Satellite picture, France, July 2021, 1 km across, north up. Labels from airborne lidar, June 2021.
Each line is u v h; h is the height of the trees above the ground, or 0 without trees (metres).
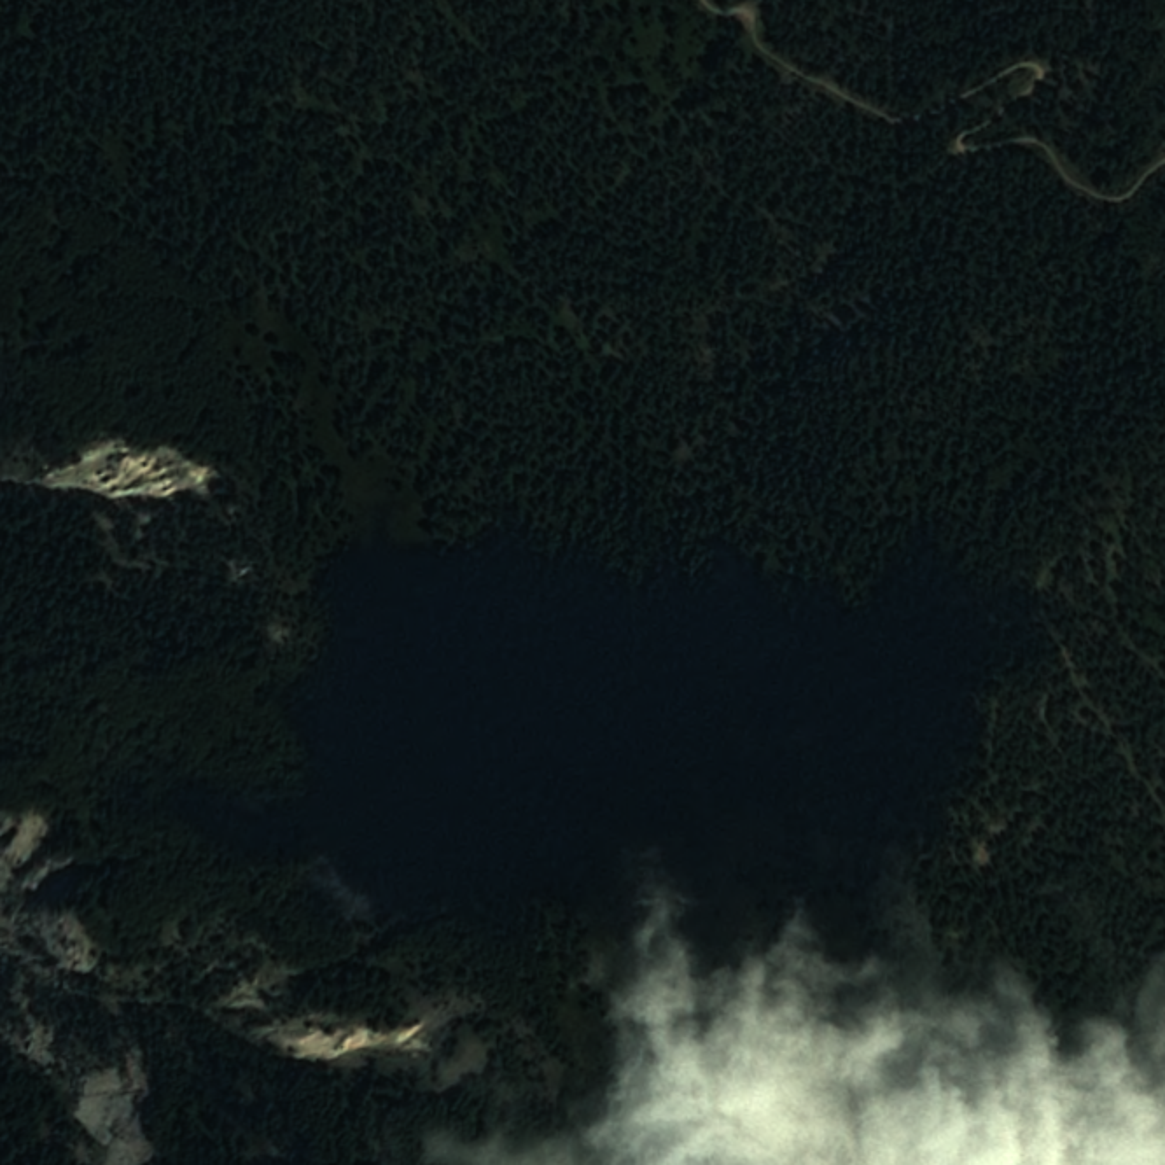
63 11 13
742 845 0
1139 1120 18
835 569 14
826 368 13
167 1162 9
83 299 21
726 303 7
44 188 12
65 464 10
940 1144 12
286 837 20
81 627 7
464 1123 18
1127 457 14
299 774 12
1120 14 27
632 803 0
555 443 13
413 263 24
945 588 10
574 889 13
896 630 9
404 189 24
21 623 15
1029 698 15
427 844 15
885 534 19
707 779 9
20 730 18
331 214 17
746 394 23
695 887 0
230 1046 16
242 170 18
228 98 22
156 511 11
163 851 22
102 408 20
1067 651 20
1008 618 22
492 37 13
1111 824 20
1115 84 24
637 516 28
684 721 13
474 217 19
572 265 17
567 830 12
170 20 18
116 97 20
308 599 17
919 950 21
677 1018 12
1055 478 15
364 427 14
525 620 12
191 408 23
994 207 23
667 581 20
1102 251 17
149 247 17
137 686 17
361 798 19
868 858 14
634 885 0
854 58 13
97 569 18
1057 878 19
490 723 23
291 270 20
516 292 16
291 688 18
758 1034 14
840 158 21
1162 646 22
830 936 0
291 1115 19
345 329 15
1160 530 14
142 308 22
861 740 17
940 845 18
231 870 21
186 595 12
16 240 24
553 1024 13
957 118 20
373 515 0
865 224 20
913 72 21
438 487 13
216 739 21
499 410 18
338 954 20
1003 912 21
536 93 18
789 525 13
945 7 22
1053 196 18
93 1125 0
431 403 16
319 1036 0
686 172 22
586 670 11
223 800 13
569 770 14
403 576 0
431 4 20
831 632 7
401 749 11
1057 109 24
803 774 12
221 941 10
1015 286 17
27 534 15
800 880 10
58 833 13
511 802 12
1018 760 20
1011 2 22
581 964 6
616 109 20
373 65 19
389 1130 21
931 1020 18
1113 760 16
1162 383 13
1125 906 17
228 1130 25
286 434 23
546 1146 11
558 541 19
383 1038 0
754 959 12
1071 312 24
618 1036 12
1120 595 26
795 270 9
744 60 25
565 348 24
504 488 17
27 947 10
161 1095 21
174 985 9
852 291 13
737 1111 11
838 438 14
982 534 14
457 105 28
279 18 13
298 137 25
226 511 7
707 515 17
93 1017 13
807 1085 10
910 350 12
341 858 11
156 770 21
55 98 25
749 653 11
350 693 16
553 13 24
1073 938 16
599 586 20
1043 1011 14
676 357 9
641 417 10
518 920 15
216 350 19
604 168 12
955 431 11
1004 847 22
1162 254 7
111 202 19
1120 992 16
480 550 22
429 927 16
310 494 24
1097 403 17
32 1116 23
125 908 23
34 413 22
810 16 21
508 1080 13
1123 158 25
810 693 14
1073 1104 13
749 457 20
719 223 21
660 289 16
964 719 12
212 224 21
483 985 9
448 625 18
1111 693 18
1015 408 21
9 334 21
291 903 21
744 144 13
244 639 15
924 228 16
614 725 20
